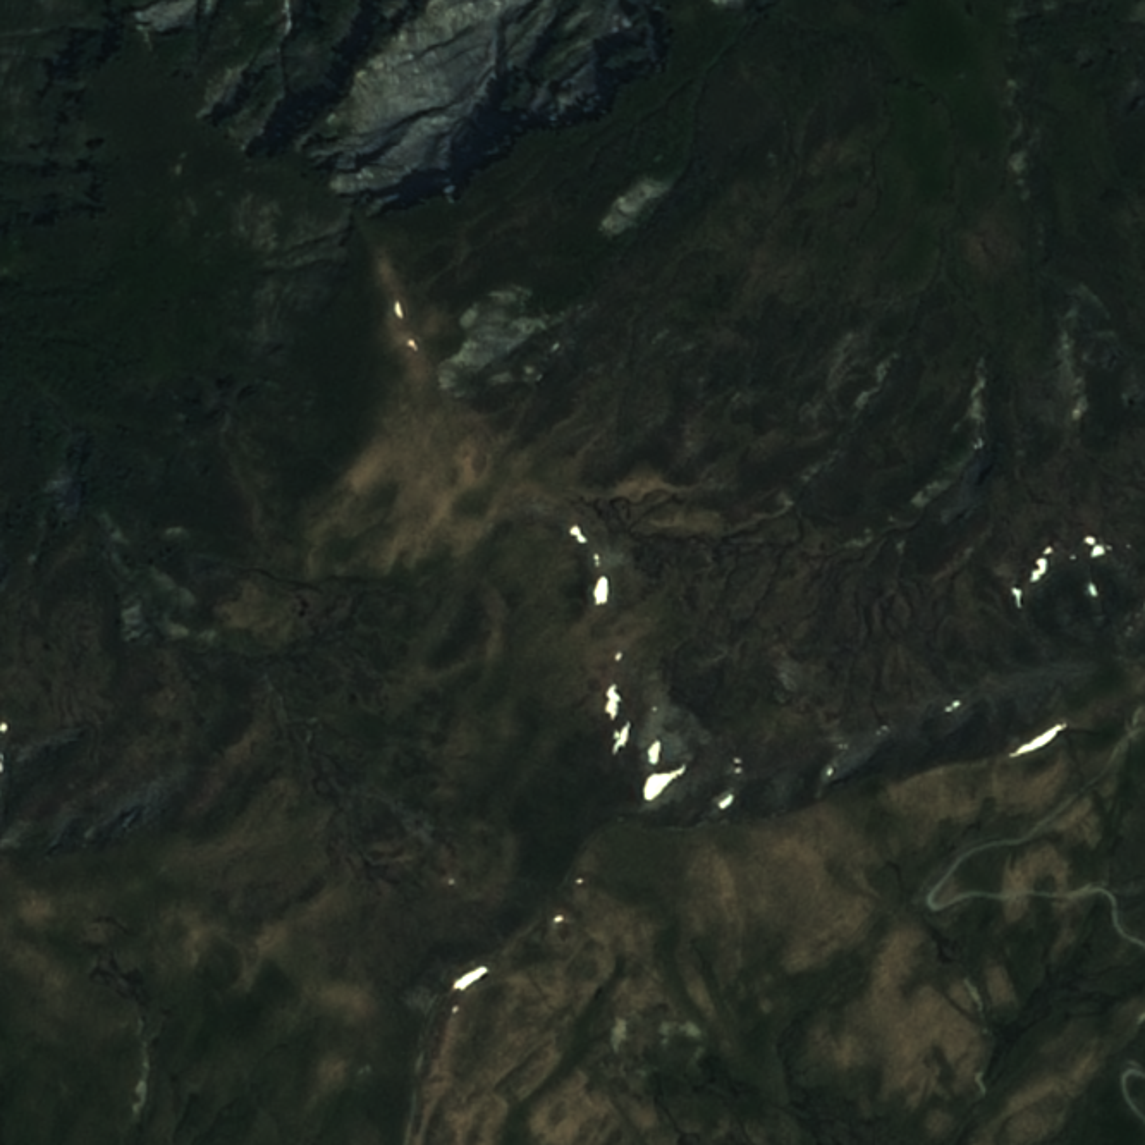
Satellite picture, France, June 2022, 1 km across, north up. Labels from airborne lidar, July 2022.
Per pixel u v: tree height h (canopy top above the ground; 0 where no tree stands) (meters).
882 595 0
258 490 0
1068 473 0
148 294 0
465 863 0
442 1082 0
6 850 0
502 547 0
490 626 0
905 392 0
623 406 0
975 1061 0
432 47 0
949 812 0
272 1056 0
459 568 0
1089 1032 0
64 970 0
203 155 0
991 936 0
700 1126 0
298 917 0
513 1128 0
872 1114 0
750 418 0
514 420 0
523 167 0
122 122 0
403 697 0
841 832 0
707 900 0
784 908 0
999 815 0
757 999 0
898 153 0
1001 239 0
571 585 0
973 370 0
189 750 0
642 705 0
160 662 0
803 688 0
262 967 0
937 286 0
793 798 0
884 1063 0
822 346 0
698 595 0
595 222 0
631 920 0
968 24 0
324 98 7
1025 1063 0
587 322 0
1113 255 0
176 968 0
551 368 0
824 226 0
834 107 0
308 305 0
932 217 0
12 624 0
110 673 0
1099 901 0
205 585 0
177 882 0
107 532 0
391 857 0
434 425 0
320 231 0
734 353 0
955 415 0
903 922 0
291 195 0
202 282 0
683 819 0
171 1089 0
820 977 0
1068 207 0
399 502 0
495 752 0
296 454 0
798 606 0
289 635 0
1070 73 0
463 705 0
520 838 0
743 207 0
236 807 0
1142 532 0
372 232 0
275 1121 0
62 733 0
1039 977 0
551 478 0
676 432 0
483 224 0
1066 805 0
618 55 9
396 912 0
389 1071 0
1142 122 0
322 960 0
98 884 0
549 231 0
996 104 0
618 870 0
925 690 0
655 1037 0
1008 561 0
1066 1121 0
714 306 0
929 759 0
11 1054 0
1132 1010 0
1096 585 0
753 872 0
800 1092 0
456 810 0
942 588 0
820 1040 0
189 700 0
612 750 0
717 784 0
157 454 0
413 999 0
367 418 0
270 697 0
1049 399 0
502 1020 0
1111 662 0
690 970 0
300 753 0
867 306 0
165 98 0
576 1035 0
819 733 0
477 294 0
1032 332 0
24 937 0
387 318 0
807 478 0
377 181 0
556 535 0
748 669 0
